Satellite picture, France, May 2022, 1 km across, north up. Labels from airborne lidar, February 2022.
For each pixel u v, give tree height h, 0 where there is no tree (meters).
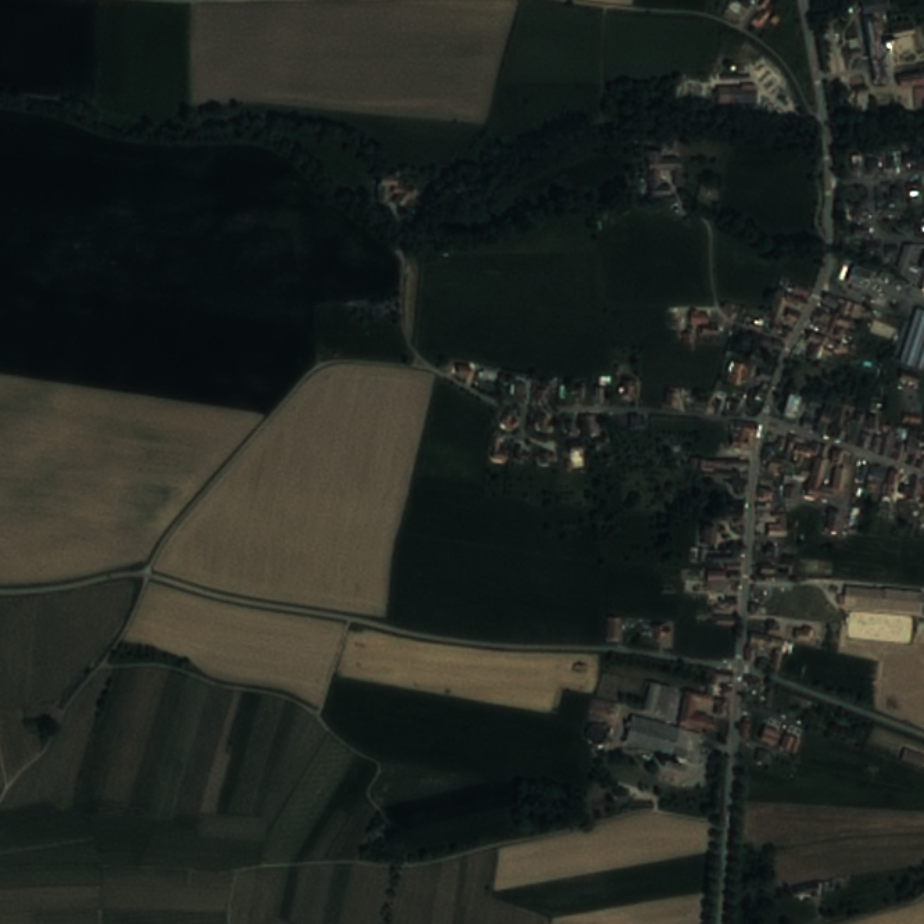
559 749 0
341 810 0
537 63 0
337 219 0
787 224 0
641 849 0
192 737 0
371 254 0
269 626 0
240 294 0
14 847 0
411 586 0
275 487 0
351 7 0
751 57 0
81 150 0
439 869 0
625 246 0
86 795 0
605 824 0
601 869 0
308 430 0
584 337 0
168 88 0
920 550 0
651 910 0
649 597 0
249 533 0
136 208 0
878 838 0
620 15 0
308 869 0
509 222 22
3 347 0
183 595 0
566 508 0
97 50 0
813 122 14
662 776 0
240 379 0
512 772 0
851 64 0
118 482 0
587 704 0
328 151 0
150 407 0
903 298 0
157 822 0
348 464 0
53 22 0
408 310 0
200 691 0
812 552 0
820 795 0
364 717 0
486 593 0
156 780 0
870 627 0
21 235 0
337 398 0
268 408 0
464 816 0
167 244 0
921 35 0
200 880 0
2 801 0
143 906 0
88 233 0
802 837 0
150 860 0
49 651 0
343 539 0
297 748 0
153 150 0
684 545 0
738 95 0
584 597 0
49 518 0
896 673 0
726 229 18
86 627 0
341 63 0
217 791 0
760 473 0
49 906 0
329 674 0
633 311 0
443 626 0
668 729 0
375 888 0
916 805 0
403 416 0
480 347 0
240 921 0
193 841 0
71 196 0
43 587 0
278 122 18
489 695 0
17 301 0
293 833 0
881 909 0
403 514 0
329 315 0
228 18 0
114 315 0
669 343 0
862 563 0
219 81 0
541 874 0
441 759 0
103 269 0
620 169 0
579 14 0
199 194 0
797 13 0
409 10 0
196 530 0
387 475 0
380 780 0
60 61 0
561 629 0
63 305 0
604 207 16
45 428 0
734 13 0
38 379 0
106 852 0
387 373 0
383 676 0
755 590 0
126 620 0
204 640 0
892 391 0
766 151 0
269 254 0
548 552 0
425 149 0
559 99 0
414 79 0
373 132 0
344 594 0
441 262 0
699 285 0
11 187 0
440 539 0
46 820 0
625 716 0
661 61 0
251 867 0
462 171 13
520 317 0
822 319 0
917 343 0
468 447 0
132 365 0
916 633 0
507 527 0
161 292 0
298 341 0
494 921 0
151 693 0
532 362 0
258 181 0
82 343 0
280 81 0
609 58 0
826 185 0
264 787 0
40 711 0
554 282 0
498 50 0
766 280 0
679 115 15
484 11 0
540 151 32
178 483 0
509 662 0
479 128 0
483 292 0
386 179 0
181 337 0
